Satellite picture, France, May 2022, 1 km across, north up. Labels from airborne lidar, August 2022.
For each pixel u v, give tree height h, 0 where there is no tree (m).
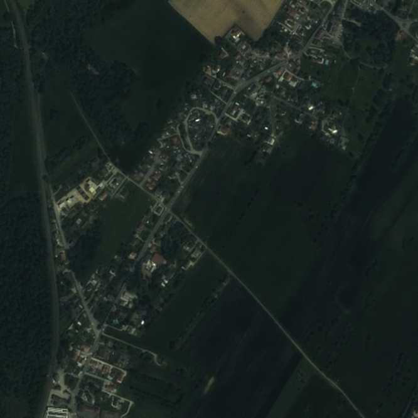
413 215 0
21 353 26
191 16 0
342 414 0
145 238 7
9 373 6
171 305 0
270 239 0
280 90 0
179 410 0
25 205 23
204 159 0
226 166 0
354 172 7
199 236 0
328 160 0
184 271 7
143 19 0
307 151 0
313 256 0
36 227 23
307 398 0
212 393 0
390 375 0
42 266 22
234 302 0
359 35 28
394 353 0
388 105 8
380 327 0
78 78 22
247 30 0
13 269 25
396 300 0
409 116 0
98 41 0
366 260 0
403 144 0
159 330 0
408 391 0
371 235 0
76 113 0
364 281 0
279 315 0
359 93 0
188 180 0
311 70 0
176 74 0
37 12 20
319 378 0
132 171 0
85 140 10
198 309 0
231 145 0
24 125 0
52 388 0
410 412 12
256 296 0
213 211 0
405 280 0
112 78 25
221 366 0
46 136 0
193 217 0
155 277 20
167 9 0
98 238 17
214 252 0
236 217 0
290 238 0
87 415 0
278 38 10
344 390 0
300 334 0
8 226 24
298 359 0
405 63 0
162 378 0
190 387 0
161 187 7
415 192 0
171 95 0
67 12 24
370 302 7
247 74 0
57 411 0
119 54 0
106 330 0
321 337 0
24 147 0
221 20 0
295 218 0
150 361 13
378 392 0
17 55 24
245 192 0
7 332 19
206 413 0
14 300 27
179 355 0
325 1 0
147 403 0
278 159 0
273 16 0
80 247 17
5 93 24
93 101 27
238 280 0
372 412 0
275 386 0
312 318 0
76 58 31
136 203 0
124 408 0
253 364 0
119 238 0
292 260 0
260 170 0
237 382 0
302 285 0
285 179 0
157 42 0
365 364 0
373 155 0
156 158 0
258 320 0
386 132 0
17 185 0
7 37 18
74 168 0
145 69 0
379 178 0
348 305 0
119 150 0
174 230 18
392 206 0
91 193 0
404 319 0
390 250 0
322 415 0
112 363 15
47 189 0
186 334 10
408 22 0
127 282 13
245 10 0
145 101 0
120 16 0
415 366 0
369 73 0
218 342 0
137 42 0
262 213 0
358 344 0
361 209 0
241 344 0
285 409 0
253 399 0
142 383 0
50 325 19
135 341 0
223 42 15
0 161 24
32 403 19
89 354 0
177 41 0
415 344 0
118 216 0
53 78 23
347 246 0
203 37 0
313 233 0
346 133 0
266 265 0
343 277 0
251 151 0
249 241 0
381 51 28
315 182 0
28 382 19
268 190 0
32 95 0
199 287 0
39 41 22
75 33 28
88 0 14
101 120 25
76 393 0
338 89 0
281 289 0
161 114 0
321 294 0
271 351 0
